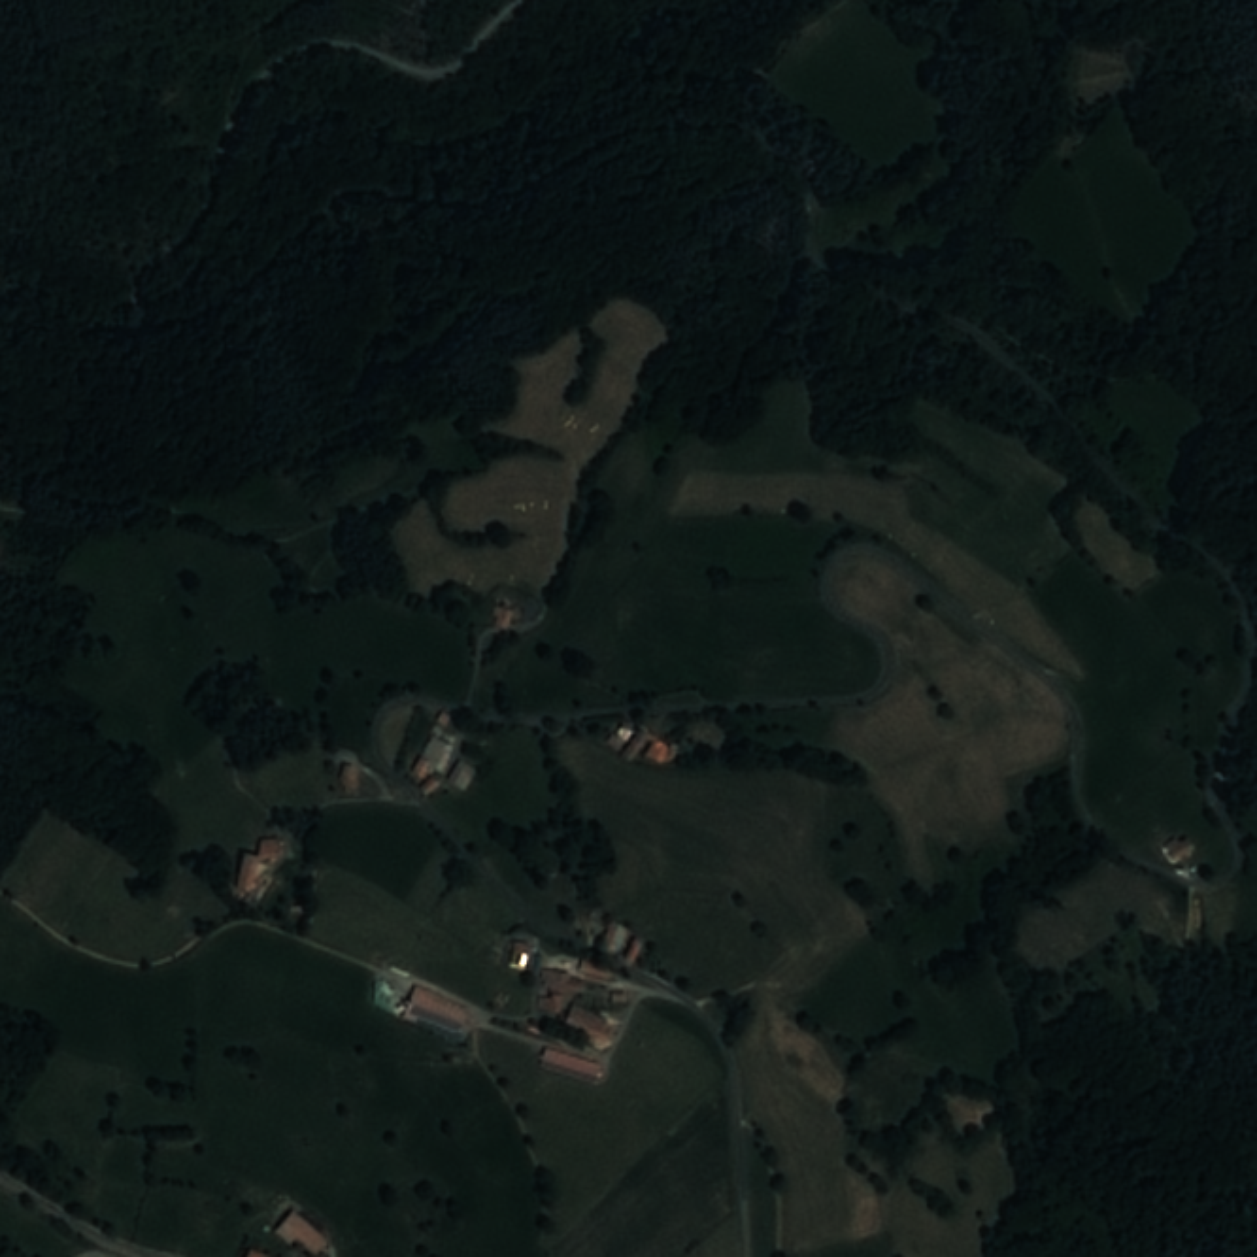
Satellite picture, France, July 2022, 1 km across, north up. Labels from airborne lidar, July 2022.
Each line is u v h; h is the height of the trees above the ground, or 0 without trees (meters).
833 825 0
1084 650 0
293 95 26
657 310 16
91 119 16
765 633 0
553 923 0
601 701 0
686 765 7
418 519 0
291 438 17
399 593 8
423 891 0
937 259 19
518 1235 0
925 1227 0
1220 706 0
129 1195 0
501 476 0
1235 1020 26
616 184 28
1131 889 0
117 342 34
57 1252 0
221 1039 0
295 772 0
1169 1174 23
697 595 0
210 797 0
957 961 23
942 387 20
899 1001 14
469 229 31
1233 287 33
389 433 22
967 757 0
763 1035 0
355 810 0
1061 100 23
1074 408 21
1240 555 10
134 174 19
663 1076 0
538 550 0
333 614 0
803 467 0
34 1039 14
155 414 34
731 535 0
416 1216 0
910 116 0
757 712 9
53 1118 0
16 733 30
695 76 7
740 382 21
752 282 24
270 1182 0
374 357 16
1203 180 12
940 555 0
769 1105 0
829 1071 0
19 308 27
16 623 10
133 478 30
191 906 0
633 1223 0
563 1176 0
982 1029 0
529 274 19
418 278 20
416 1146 0
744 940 0
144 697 0
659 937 0
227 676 8
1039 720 0
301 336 32
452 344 20
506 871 0
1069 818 8
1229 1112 30
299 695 0
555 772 13
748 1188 0
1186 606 0
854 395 10
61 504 35
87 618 8
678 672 0
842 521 11
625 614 0
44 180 15
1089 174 0
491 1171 0
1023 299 25
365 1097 0
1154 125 27
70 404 38
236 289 21
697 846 0
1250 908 0
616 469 0
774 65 6
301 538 0
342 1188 0
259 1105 0
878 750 0
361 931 0
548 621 0
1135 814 0
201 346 38
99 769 28
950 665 0
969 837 0
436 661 0
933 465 0
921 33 25
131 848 28
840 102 0
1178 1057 26
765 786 0
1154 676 0
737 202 24
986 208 27
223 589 0
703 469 0
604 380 0
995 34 23
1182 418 0
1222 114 31
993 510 0
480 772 7
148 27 19
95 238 16
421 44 9
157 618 0
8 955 0
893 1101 0
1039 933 0
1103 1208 18
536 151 25
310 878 7
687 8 22
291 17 19
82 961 0
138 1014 0
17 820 18
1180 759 0
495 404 18
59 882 0
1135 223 0
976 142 25
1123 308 0
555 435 0
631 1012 0
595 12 28
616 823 0
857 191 22
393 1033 0
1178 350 22
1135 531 15
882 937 6
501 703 14
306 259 21
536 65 28
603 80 23
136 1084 0
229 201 27
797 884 0
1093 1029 12
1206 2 21
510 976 0
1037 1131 9
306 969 0
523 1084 0
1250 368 33
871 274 30
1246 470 31
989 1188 0
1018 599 0
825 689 0
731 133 15
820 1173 0
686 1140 0
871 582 0
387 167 35
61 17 25
